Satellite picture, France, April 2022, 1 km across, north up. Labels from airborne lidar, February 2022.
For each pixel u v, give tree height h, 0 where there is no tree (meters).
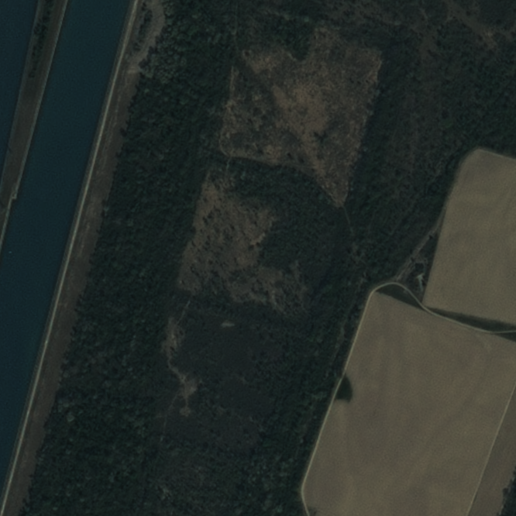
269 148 0
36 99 0
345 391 0
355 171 8
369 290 13
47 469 8
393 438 0
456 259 0
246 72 0
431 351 0
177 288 0
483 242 0
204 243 0
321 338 17
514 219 0
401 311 0
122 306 18
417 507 0
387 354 0
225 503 12
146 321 6
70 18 0
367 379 0
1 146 0
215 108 18
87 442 20
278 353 0
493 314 0
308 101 0
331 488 0
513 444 0
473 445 0
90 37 0
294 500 6
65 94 0
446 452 0
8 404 0
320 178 0
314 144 0
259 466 18
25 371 0
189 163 13
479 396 0
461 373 0
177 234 13
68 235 0
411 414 0
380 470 0
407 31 16
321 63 0
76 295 0
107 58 0
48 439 6
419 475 0
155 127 21
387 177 12
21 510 0
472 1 0
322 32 0
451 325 0
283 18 14
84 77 0
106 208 13
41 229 0
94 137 0
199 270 0
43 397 0
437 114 10
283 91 0
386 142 12
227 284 0
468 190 0
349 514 0
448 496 0
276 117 0
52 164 0
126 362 17
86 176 0
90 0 0
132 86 0
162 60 22
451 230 0
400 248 13
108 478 13
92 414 10
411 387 0
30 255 0
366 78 0
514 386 0
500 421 0
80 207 0
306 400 18
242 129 0
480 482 0
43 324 0
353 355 0
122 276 11
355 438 0
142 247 13
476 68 17
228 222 0
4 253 0
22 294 0
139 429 16
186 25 17
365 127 15
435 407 0
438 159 11
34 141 0
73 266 0
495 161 0
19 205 0
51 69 0
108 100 0
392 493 0
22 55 0
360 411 0
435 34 0
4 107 0
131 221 20
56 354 0
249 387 0
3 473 0
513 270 0
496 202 0
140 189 14
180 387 0
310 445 15
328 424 0
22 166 0
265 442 16
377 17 0
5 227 0
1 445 0
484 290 0
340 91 0
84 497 19
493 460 0
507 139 13
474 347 0
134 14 0
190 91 17
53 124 0
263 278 0
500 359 0
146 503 12
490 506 0
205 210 0
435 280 0
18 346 0
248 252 0
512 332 0
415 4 7
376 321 0
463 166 0
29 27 0
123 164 6
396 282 0
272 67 0
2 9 0
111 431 18
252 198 0
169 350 0
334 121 0
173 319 0
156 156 17
